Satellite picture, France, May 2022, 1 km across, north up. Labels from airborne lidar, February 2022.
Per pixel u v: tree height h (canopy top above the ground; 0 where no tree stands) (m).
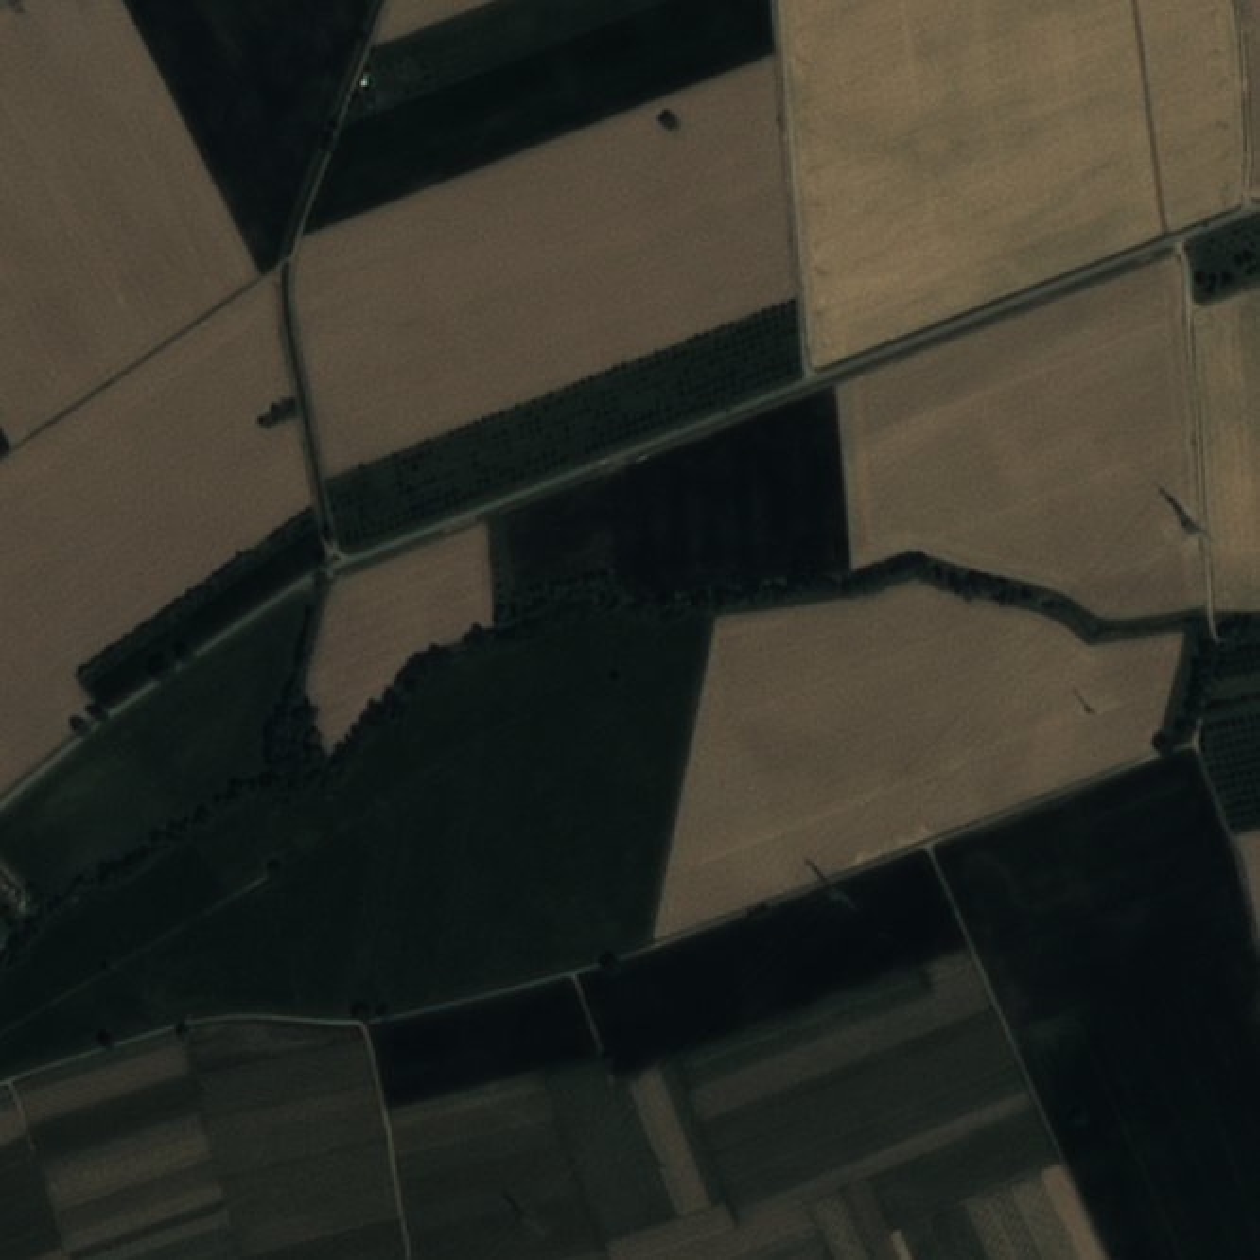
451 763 0
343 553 0
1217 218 0
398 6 0
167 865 0
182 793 0
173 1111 0
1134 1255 0
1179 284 0
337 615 0
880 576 17
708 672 0
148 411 0
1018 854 0
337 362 0
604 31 0
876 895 0
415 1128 0
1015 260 0
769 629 0
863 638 0
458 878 0
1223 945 0
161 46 0
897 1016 0
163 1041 0
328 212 0
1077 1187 0
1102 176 0
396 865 0
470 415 0
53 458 0
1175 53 0
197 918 0
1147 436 0
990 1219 0
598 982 0
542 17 0
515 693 0
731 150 0
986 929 0
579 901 0
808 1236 0
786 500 0
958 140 0
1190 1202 0
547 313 0
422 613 0
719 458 0
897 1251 0
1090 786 0
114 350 0
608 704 0
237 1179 0
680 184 0
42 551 0
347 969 0
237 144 0
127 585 0
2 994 0
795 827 0
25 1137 0
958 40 0
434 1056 0
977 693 0
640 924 0
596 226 0
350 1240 0
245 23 0
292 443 0
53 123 0
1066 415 0
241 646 0
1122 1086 0
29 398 0
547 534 0
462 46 0
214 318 0
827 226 0
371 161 0
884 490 0
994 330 0
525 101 0
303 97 0
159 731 0
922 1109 0
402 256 0
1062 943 0
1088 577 0
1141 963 0
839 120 0
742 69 0
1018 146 0
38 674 0
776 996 0
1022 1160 0
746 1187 0
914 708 0
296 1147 0
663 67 0
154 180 0
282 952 0
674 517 0
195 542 0
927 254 0
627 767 0
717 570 0
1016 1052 0
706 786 0
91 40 0
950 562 0
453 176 0
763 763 0
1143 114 0
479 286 0
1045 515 0
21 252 0
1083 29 0
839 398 0
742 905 0
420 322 0
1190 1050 0
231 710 0
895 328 0
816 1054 0
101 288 0
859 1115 0
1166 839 0
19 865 0
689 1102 0
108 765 0
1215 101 0
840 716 0
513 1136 0
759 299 0
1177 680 0
